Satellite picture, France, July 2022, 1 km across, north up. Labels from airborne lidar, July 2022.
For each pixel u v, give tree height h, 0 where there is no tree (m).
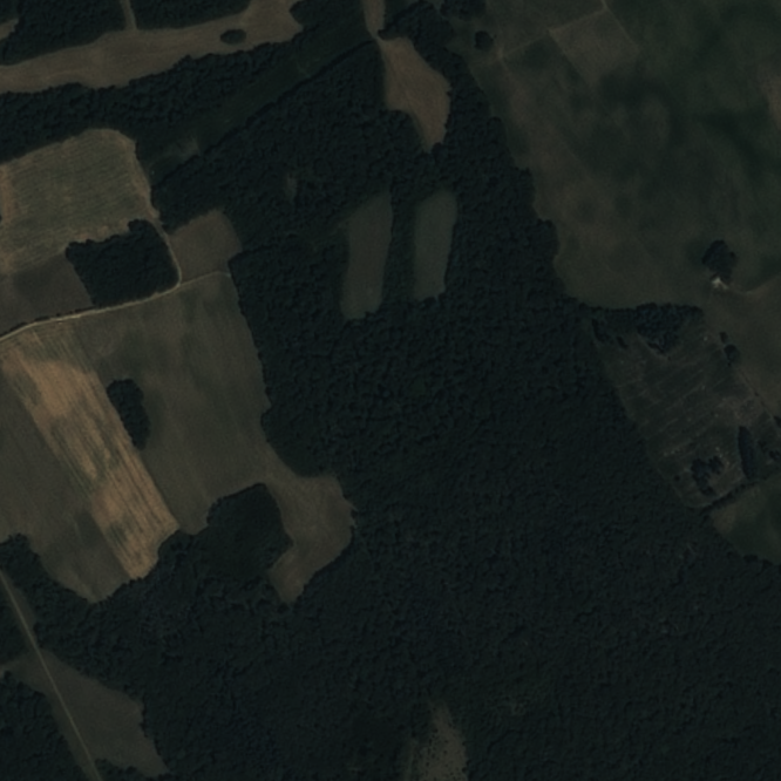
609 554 19
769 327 0
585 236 0
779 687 25
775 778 24
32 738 23
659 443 0
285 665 20
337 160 20
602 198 0
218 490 0
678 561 22
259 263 20
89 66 0
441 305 8
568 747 16
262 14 0
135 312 0
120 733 0
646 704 18
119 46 0
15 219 0
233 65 9
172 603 20
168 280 21
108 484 0
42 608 12
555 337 21
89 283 14
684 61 0
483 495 18
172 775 10
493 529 24
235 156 12
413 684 22
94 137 0
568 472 20
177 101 17
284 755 21
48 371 0
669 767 20
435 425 18
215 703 23
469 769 7
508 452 16
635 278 0
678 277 0
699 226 0
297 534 0
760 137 0
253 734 23
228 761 19
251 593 20
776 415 0
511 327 23
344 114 22
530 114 0
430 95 0
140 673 17
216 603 16
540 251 24
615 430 20
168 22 12
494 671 19
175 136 15
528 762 16
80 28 20
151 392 0
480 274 24
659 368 0
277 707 21
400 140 23
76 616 17
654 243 0
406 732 17
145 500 0
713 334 0
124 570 0
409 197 20
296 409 21
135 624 14
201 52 0
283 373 19
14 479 0
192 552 18
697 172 0
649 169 0
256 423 0
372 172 20
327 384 15
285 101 16
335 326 17
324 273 10
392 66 0
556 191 0
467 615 20
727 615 20
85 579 0
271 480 0
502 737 7
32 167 0
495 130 21
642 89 0
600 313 9
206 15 22
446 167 19
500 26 0
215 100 20
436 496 12
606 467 23
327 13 13
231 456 0
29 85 0
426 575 21
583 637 19
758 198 0
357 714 21
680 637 18
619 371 0
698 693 20
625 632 23
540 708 7
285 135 25
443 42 19
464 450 13
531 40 0
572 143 0
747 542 0
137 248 10
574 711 15
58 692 0
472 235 18
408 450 20
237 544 7
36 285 0
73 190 0
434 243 0
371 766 8
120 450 0
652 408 0
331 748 22
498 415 13
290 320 20
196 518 0
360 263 0
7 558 12
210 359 0
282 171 25
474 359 12
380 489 8
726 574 19
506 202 28
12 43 13
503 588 21
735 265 17
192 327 0
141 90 23
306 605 14
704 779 11
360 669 20
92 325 0
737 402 0
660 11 0
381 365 23
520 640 20
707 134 0
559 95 0
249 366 0
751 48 0
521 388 19
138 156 8
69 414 0
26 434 0
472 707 10
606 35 0
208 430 0
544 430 17
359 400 23
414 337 15
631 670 23
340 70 19
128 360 0
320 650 19
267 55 19
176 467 0
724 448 0
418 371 17
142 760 0
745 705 23
